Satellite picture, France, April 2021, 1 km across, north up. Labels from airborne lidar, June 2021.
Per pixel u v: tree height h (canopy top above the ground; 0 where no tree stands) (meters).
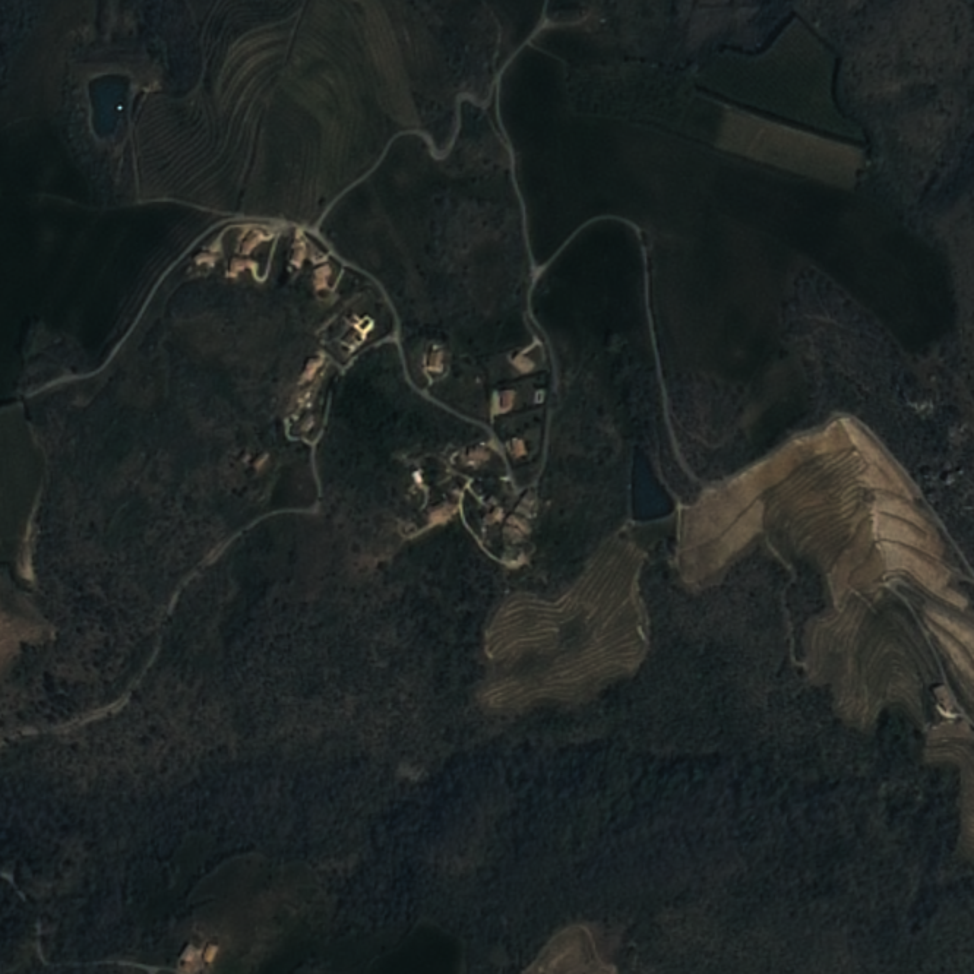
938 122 0
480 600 10
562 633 0
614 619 0
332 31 0
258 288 0
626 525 0
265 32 0
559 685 0
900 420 6
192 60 11
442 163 0
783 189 0
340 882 8
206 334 0
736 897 6
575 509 0
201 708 7
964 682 0
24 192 0
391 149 0
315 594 0
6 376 0
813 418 8
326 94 0
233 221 0
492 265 0
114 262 0
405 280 0
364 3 0
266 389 0
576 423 0
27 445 0
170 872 8
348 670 5
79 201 0
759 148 0
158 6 16
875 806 15
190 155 0
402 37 0
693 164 0
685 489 9
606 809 12
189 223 0
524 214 0
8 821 13
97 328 0
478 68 0
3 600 0
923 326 0
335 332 9
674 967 6
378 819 13
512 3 0
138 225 0
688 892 6
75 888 9
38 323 12
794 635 7
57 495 0
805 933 9
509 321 0
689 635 7
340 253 0
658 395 8
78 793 11
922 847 26
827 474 0
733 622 8
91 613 8
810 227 0
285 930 0
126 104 0
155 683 7
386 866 11
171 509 7
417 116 0
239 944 0
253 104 0
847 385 6
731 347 0
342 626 6
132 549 10
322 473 0
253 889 0
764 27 0
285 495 0
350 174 0
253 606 7
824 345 10
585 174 0
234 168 0
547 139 0
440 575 11
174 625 11
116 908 15
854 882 10
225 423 0
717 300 0
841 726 7
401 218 0
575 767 6
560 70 0
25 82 0
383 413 6
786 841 7
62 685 9
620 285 0
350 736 8
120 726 6
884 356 8
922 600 0
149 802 19
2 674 0
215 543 7
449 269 0
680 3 15
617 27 0
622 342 6
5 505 0
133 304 0
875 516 0
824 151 0
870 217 0
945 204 0
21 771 14
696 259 0
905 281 0
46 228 0
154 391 0
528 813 15
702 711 6
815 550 0
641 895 10
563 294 0
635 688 5
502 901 11
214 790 7
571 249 0
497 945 7
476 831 12
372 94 0
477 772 9
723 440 9
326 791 11
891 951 14
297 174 0
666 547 11
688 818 15
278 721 10
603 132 0
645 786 14
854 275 0
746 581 7
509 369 0
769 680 10
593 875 13
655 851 9
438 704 13
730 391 10
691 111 0
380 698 8
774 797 11
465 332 0
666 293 0
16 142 0
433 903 11
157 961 0
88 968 13
